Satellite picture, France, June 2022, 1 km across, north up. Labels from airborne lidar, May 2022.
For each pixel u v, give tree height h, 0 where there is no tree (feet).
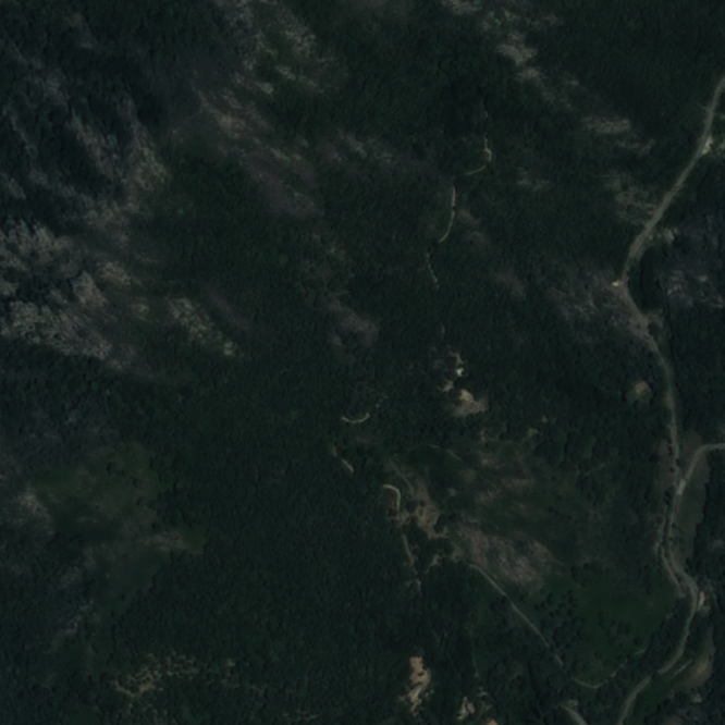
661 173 40
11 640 41
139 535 0
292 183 18
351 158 32
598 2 22
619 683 51
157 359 33
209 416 77
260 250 61
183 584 67
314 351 49
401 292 54
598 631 0
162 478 48
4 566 31
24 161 37
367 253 37
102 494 0
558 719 95
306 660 52
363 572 54
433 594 59
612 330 35
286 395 60
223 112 0
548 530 0
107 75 45
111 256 0
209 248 58
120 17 43
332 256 26
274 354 40
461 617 34
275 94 26
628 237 54
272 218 24
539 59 28
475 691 33
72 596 26
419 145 64
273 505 55
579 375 74
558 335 66
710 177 50
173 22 48
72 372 28
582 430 38
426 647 30
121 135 41
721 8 60
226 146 0
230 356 22
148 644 59
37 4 50
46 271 22
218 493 65
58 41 51
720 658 59
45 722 44
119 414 48
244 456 53
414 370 42
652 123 54
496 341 43
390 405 57
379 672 56
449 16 19
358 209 47
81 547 35
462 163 45
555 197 32
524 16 19
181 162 45
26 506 0
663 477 0
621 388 41
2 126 42
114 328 0
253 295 19
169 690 48
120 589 0
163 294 29
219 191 59
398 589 54
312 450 69
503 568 0
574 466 38
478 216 35
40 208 50
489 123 41
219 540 34
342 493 51
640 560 30
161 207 28
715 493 71
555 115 52
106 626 0
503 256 39
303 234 22
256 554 41
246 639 57
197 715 46
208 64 0
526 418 37
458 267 52
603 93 42
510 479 0
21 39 32
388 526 37
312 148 23
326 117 43
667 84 20
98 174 28
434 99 41
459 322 41
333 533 60
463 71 67
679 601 32
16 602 55
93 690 52
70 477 0
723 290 21
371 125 61
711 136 0
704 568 62
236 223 66
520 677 37
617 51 48
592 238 35
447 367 39
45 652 36
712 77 58
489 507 0
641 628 0
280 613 54
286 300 54
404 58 35
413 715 25
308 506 62
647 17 58
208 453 70
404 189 37
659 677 53
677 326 35
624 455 44
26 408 23
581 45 56
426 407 64
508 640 29
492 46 33
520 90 56
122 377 24
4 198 50
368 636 57
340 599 42
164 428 69
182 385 37
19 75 39
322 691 55
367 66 52
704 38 36
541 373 56
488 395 46
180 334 42
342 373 74
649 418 98
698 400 40
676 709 55
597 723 50
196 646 55
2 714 41
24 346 33
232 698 59
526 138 37
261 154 0
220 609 68
